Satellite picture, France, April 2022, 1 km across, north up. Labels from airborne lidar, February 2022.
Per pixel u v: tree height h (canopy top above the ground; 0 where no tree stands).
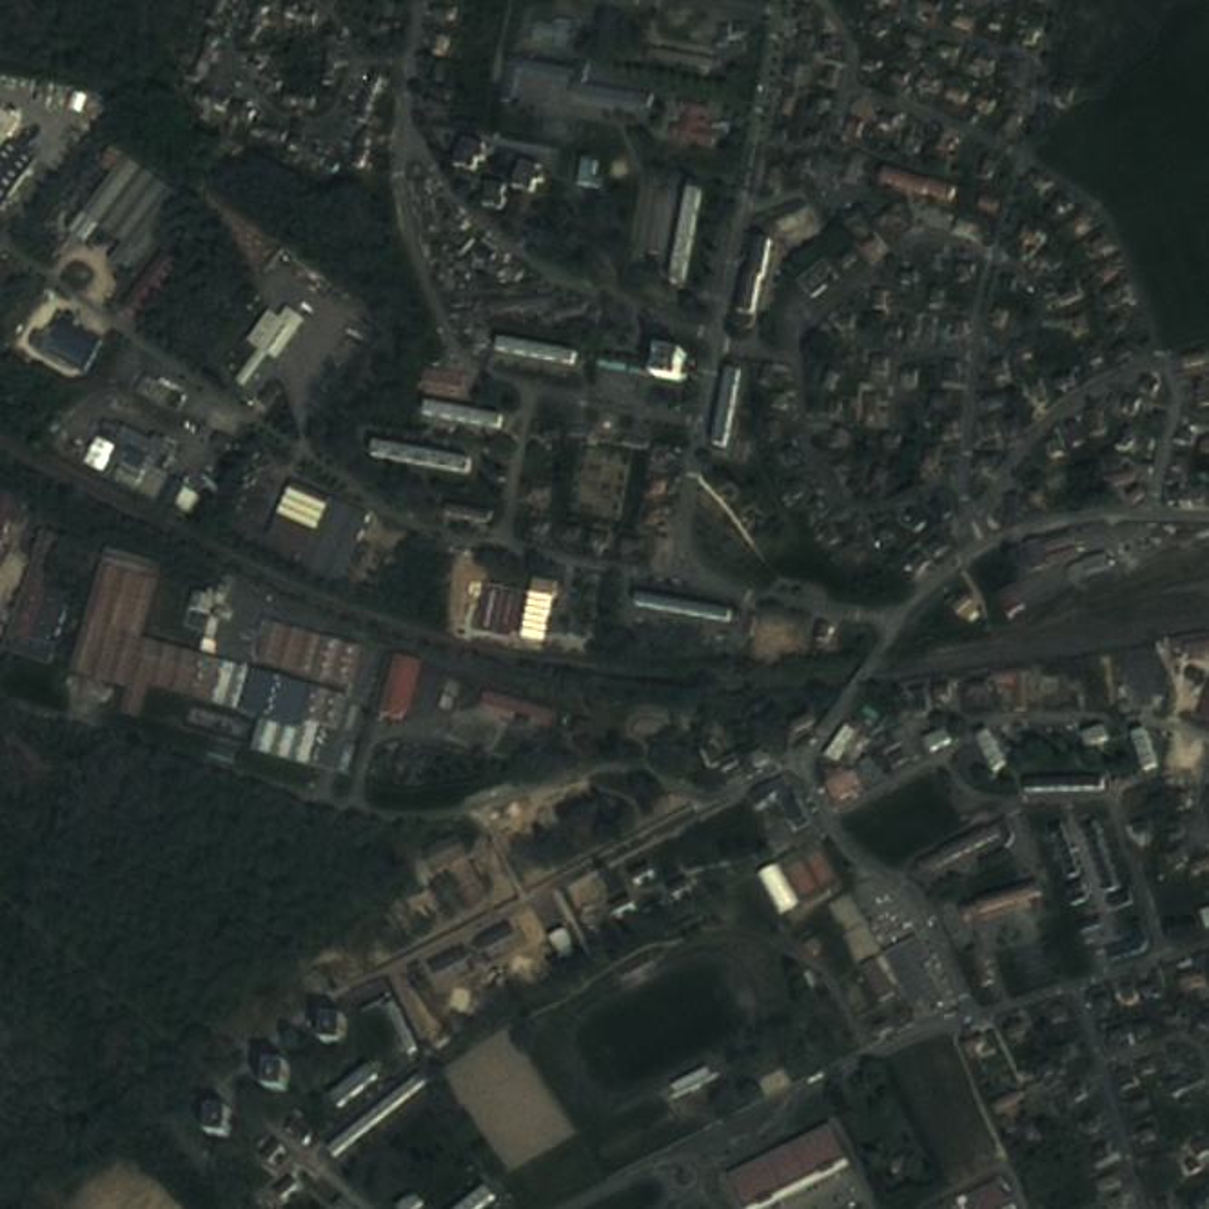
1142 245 0
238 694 0
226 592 0
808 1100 0
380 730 0
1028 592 0
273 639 0
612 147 0
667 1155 0
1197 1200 8
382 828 16
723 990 0
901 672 0
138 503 0
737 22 0
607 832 25
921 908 0
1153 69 0
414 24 0
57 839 22
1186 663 0
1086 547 0
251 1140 25
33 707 0
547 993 24
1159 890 0
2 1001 27
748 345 0
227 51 0
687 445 6
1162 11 0
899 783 0
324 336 0
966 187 9
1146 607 0
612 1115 0
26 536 0
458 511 0
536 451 11
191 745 0
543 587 0
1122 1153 0
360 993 0
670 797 0
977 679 0
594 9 0
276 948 27
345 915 25
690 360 0
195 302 12
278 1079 0
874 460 14
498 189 0
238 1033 0
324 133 0
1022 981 0
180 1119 25
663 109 11
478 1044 19
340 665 0
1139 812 0
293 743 0
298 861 29
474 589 0
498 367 0
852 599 0
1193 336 0
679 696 7
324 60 0
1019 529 0
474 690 0
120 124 21
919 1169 9
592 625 0
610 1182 0
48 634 0
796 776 0
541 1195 0
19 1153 26
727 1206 0
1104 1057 0
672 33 0
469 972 0
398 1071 0
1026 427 6
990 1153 0
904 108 0
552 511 0
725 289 0
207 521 21
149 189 0
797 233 0
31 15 30
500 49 0
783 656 15
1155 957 0
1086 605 0
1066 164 0
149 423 0
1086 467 6
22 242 18
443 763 9
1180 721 0
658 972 0
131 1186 0
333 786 0
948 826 0
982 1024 0
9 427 15
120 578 0
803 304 0
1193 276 0
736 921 0
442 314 0
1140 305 0
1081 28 0
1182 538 0
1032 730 0
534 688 0
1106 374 0
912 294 14
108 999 26
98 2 26
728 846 0
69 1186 27
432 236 0
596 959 12
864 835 0
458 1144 27
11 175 0
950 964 0
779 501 0
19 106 0
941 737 0
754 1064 20
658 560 0
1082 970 0
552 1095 0
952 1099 0
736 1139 0
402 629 0
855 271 0
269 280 0
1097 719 0
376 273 28
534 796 0
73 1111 27
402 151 0
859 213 8
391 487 18
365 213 28
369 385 0
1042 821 0
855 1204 0
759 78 6
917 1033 0
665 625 0
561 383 0
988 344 0
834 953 0
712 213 9
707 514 0
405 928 25
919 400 0
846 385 0
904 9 0
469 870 0
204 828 27
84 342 0
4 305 19
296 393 0
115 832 25
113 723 0
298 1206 0
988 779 12
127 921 31
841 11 0
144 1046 22
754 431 0
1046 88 11
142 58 29
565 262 25
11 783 27
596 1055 0
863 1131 0
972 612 0
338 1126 0
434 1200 0
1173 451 0
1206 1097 0
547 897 0
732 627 0
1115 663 0
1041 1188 0
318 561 0
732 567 0
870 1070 16
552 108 0
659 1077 0
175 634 0
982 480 0
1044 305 0
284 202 26
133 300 0
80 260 0
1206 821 0
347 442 23
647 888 0
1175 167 0
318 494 0
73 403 0
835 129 0
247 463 13
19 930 10
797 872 0
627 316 16
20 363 12
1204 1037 0
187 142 19
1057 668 0
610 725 0
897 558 13
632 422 0
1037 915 0
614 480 0
